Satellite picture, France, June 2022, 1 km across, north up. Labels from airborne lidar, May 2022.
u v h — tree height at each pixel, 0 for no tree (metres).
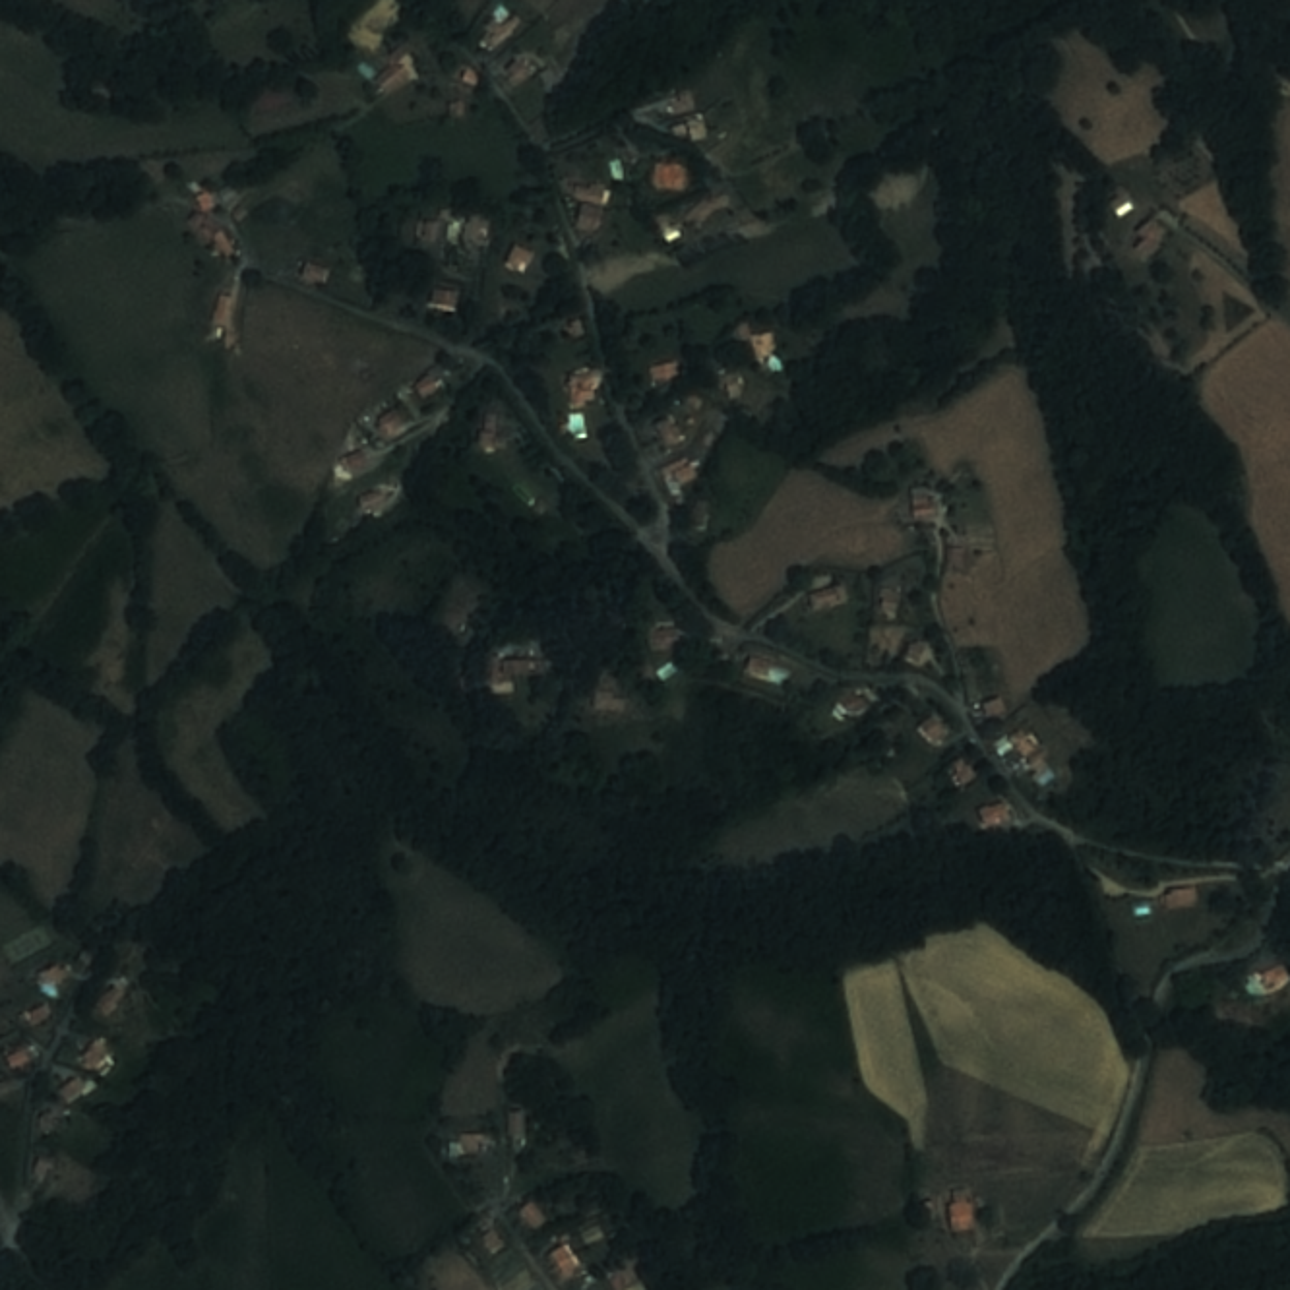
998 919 18
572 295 15
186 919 15
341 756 27
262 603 14
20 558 0
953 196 18
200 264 6
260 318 0
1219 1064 22
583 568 14
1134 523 24
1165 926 0
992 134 22
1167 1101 0
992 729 16
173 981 10
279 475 0
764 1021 0
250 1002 25
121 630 0
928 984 0
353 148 20
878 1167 0
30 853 0
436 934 0
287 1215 0
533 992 0
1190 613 0
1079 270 10
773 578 0
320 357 0
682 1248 23
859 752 13
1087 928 13
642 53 21
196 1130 22
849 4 19
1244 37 23
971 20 23
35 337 19
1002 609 0
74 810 0
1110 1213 0
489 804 14
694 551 15
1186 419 23
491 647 20
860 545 0
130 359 0
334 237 0
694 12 12
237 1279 0
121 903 7
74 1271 19
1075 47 0
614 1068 0
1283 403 0
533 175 11
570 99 23
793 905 16
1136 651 19
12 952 0
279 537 0
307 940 30
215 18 13
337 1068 0
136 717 7
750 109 0
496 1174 0
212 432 0
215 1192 16
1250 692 19
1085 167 14
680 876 27
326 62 12
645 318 8
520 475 0
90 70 22
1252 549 19
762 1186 0
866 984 0
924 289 18
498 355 9
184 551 0
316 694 27
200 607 0
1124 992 18
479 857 9
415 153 0
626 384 14
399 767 25
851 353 20
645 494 7
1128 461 24
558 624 29
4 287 15
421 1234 0
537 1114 10
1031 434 0
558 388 0
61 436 0
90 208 16
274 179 13
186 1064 18
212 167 0
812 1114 0
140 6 15
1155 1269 11
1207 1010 19
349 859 26
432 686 21
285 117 0
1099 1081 0
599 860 8
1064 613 0
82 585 0
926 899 25
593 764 8
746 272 0
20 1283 26
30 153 0
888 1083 0
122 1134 9
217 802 0
